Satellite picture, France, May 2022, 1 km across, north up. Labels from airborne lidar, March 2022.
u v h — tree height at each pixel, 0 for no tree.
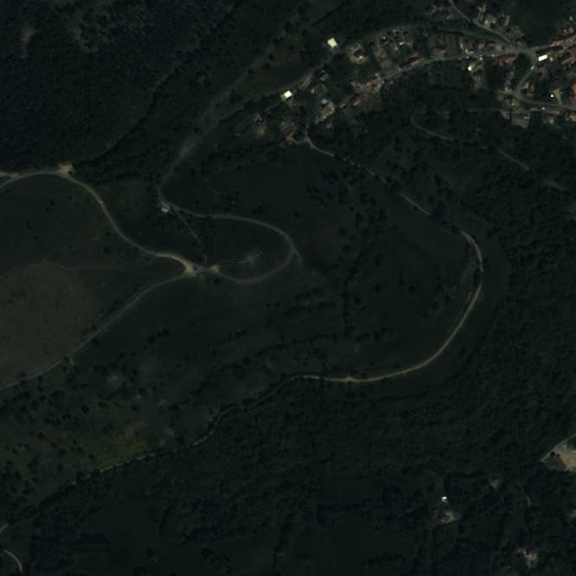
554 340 23
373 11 16
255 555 0
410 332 0
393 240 0
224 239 0
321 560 0
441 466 16
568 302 18
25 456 0
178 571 0
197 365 0
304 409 10
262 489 11
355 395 15
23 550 0
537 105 0
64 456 15
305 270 0
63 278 0
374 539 0
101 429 0
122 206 0
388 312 0
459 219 0
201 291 0
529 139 16
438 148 20
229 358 0
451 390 9
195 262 0
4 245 0
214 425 9
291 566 0
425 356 0
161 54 25
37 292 0
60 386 0
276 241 0
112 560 0
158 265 0
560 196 9
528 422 17
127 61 23
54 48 20
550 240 11
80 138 24
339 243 0
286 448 14
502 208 9
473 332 0
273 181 0
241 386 0
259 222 0
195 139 0
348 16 8
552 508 14
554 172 19
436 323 0
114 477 16
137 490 10
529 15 0
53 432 0
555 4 0
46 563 26
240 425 12
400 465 14
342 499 0
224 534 22
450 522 0
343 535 0
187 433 8
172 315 0
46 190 0
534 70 0
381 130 13
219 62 9
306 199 0
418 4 0
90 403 0
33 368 0
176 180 0
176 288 0
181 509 20
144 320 0
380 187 0
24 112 24
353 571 0
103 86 21
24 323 0
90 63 21
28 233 0
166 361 0
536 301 14
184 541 23
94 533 0
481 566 31
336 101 7
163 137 12
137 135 23
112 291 0
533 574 24
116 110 18
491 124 0
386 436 7
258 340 0
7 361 0
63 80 19
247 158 9
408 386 0
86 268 0
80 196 0
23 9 17
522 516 0
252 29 13
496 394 13
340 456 8
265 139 0
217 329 0
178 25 26
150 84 27
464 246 0
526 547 12
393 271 0
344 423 9
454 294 0
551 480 16
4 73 19
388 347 0
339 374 7
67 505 17
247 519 24
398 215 0
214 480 11
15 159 23
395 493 27
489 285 0
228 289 0
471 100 10
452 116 13
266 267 0
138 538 0
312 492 14
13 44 14
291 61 0
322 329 0
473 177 0
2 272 0
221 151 7
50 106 21
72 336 0
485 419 18
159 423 0
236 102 13
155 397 0
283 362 0
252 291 0
